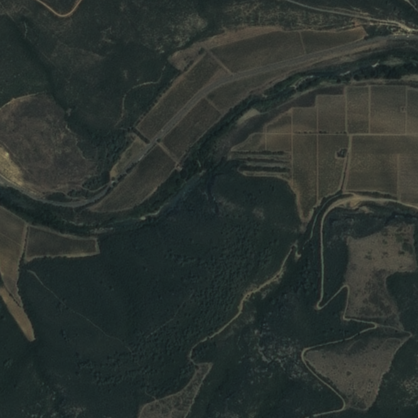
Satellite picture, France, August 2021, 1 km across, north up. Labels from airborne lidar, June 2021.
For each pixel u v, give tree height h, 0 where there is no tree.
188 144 0
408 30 0
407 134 0
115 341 0
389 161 0
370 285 0
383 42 0
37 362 6
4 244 0
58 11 0
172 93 0
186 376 7
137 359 12
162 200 6
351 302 0
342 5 0
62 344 0
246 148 0
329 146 0
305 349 0
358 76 12
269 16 0
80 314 0
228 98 0
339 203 0
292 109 0
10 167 0
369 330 0
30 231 0
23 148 0
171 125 0
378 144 0
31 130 0
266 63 0
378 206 6
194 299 10
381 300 0
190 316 11
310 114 0
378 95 0
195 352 13
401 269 0
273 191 8
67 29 0
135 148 0
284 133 0
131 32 0
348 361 0
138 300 6
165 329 11
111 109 0
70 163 0
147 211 8
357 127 0
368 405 0
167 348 14
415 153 0
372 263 0
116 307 0
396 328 0
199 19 0
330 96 0
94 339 0
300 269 6
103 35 0
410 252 0
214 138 17
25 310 7
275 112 0
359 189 0
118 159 14
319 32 0
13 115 0
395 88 0
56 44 0
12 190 6
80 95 0
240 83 0
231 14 0
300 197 0
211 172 6
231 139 0
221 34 0
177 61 0
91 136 10
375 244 0
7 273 0
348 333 9
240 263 11
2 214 0
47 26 0
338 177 0
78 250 0
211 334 8
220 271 12
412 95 0
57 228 9
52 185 0
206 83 0
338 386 0
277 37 0
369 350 0
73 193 12
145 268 11
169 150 0
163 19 0
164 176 0
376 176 0
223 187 0
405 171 0
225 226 6
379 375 0
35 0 0
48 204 7
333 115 0
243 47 0
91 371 12
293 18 0
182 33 0
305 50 0
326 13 0
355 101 0
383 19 0
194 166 10
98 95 0
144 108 6
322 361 0
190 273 7
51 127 0
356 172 0
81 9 0
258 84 0
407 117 0
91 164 0
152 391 12
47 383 6
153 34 0
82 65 0
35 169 0
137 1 0
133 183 0
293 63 0
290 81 7
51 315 0
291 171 0
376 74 24
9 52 0
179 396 0
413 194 0
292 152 0
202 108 0
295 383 8
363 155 0
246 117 0
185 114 0
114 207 0
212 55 0
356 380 0
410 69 17
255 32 0
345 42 0
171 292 7
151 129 0
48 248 0
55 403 7
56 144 0
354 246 0
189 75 0
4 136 0
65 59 0
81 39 0
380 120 0
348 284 0
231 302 11
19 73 0
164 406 0
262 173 0
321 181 0
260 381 0
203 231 0
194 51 0
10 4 0
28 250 0
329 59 0
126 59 0
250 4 0
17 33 0
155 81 5
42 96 0
